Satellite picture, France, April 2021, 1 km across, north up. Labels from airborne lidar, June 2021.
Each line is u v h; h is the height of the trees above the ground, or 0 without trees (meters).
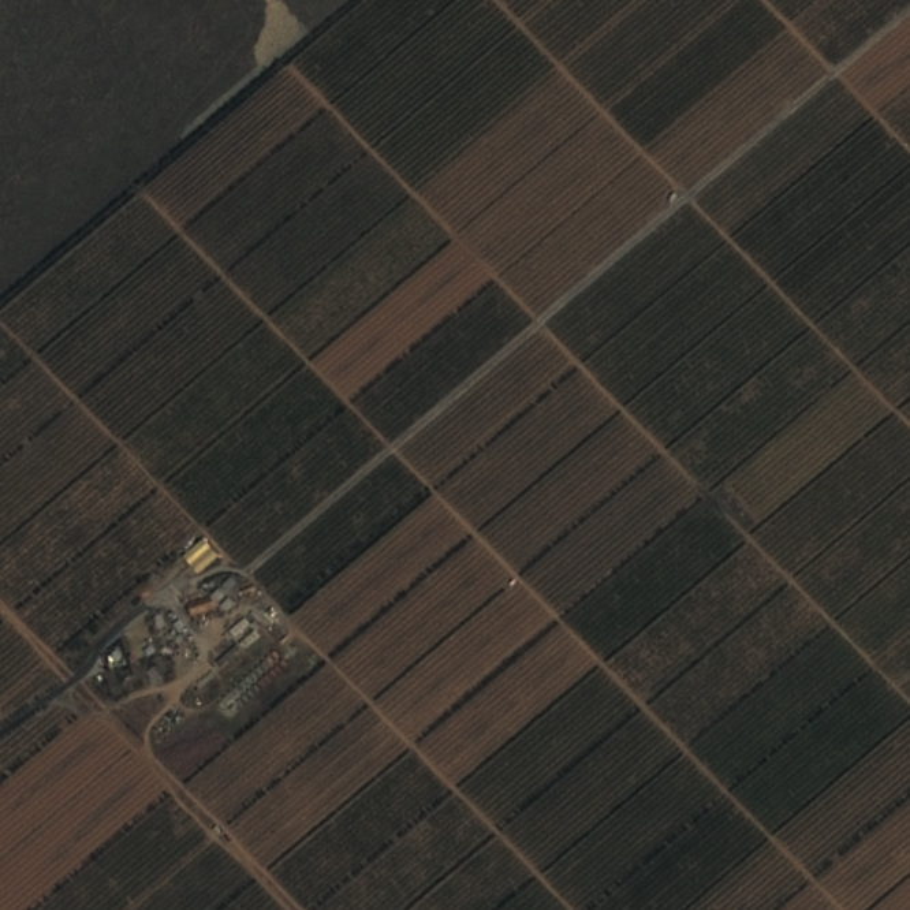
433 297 0
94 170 0
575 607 8
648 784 7
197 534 0
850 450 7
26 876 0
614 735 9
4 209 0
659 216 0
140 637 0
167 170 8
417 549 0
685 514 9
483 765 6
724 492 0
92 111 0
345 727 8
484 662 0
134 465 0
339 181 8
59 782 0
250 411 6
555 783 8
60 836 0
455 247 0
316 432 7
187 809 0
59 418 9
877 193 7
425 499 6
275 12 0
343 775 0
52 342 6
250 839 0
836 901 0
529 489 6
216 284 8
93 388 8
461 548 9
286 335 0
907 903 0
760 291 7
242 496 8
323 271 6
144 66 0
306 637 0
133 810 0
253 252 9
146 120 0
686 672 7
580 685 7
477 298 9
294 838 0
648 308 7
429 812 8
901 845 0
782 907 9
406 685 0
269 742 0
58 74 0
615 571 8
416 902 6
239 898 10
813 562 6
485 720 0
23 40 0
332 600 0
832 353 0
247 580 0
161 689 0
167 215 0
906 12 0
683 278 7
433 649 6
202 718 0
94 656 0
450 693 0
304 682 8
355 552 11
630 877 9
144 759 0
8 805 0
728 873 7
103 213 6
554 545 7
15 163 0
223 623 0
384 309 0
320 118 8
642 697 0
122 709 0
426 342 9
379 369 0
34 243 0
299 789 0
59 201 0
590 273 0
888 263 7
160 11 0
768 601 7
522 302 0
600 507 8
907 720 7
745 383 7
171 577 0
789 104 0
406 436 0
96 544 7
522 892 10
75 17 0
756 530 6
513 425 8
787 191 7
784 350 7
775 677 9
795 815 6
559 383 6
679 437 7
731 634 7
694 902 8
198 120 0
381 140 6
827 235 7
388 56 6
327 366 0
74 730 0
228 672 0
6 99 0
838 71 0
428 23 6
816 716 8
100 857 10
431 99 7
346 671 0
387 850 10
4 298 8
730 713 9
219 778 0
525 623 0
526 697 0
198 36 0
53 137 0
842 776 7
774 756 10
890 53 0
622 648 7
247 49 0
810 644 7
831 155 7
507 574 0
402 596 8
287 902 0
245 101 9
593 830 6
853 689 9
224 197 8
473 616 7
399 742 0
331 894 7
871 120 6
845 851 9
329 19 8
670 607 7
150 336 7
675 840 9
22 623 0
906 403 7
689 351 6
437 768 0
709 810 8
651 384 7
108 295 7
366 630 9
